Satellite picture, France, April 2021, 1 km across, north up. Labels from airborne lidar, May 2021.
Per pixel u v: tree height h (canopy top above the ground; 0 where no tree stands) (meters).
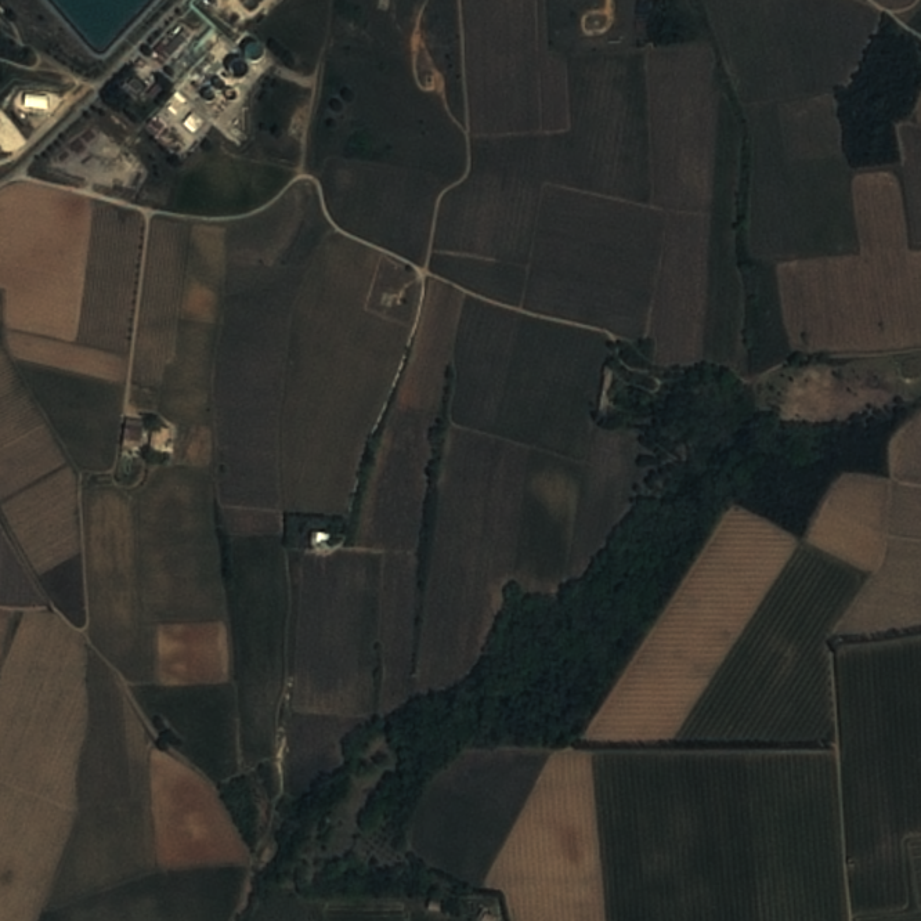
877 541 0
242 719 0
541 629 16
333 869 11
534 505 0
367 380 0
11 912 0
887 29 7
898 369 0
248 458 0
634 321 0
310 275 0
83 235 0
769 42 0
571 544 0
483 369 0
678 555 13
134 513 0
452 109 0
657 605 13
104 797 0
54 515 0
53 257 0
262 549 0
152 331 0
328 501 0
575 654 16
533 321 0
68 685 0
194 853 0
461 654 0
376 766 11
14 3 0
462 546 0
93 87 0
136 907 0
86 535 0
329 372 0
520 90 0
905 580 0
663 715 0
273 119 0
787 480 7
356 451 0
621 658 10
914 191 0
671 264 0
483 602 0
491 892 8
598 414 10
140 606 0
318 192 0
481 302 0
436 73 0
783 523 7
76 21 0
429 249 0
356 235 0
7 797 0
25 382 0
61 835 0
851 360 0
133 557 0
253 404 0
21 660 0
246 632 0
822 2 0
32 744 0
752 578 0
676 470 10
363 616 0
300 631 0
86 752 0
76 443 0
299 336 0
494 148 0
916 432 0
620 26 0
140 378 0
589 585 14
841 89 7
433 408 0
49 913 0
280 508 0
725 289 0
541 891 0
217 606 0
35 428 0
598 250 0
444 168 0
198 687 0
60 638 0
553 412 0
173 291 0
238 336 0
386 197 0
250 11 0
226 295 0
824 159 0
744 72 0
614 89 0
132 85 0
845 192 0
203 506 0
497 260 0
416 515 0
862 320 0
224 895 0
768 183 0
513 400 0
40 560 0
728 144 0
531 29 0
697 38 0
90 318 0
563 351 0
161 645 0
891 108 6
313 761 0
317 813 14
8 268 0
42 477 0
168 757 0
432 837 0
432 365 0
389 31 0
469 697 16
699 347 0
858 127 7
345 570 0
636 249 0
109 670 0
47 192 0
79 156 0
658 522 17
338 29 0
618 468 0
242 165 0
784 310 0
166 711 0
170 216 0
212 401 0
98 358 0
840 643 16
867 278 0
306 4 0
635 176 0
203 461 0
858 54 0
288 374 0
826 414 0
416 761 13
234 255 0
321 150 0
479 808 0
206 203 0
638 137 0
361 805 0
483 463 0
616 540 14
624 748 13
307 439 0
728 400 15
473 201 0
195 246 0
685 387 6
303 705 0
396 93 0
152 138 8
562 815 0
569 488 0
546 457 0
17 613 0
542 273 0
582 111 0
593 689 8
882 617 0
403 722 11
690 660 0
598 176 0
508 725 14
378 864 9
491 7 0
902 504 0
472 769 0
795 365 9
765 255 0
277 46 9
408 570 0
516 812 0
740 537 0
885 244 0
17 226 0
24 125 0
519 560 0
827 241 0
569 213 0
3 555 0
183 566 0
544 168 0
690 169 0
